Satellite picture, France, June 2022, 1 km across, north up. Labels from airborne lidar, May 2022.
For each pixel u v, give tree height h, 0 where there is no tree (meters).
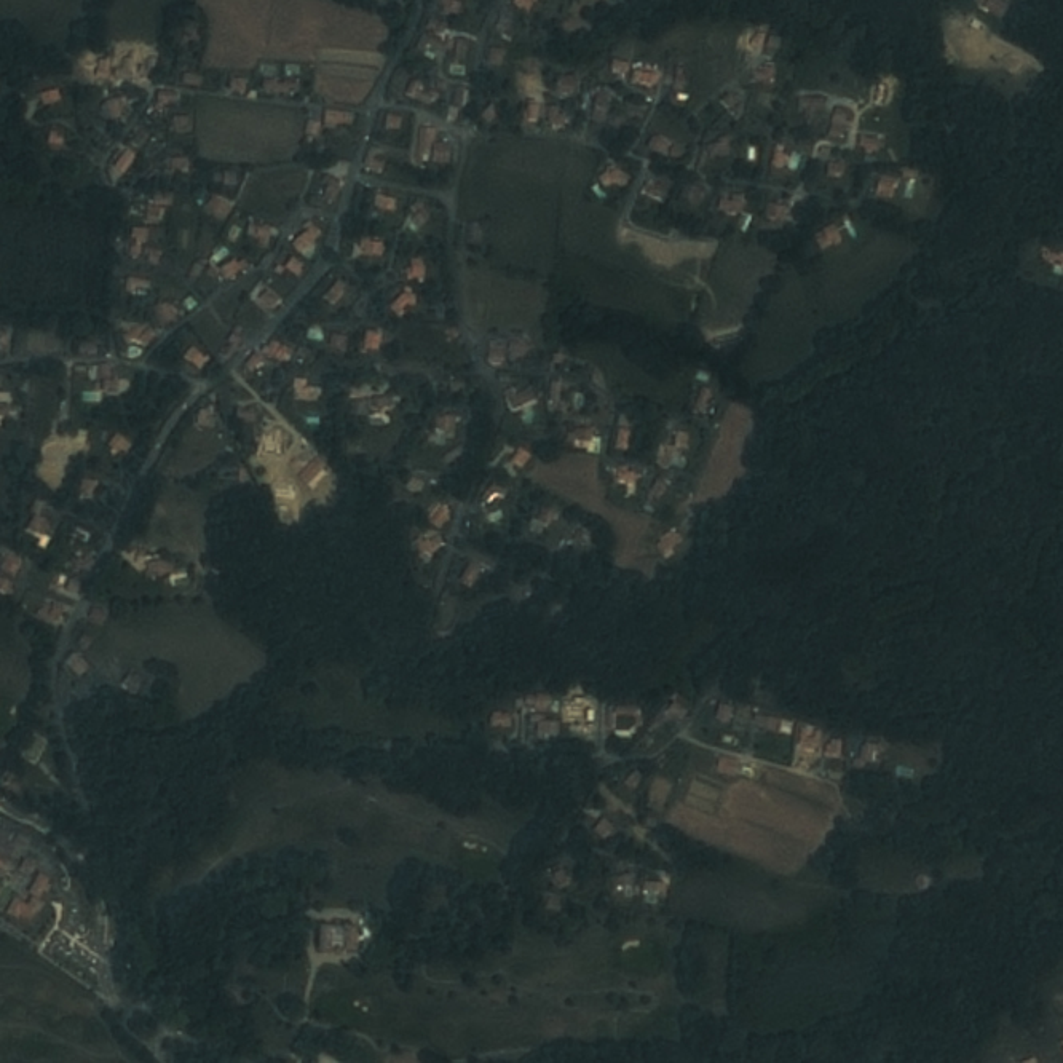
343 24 0
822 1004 0
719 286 0
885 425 29
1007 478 22
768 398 21
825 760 0
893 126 0
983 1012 18
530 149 0
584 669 28
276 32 0
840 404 24
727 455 0
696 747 0
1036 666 20
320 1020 19
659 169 14
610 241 0
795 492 15
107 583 21
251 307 0
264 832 0
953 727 21
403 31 16
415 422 13
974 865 0
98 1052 0
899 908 7
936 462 23
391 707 16
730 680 19
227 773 22
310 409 0
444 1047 0
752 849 0
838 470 26
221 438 0
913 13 27
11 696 0
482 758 22
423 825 0
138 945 31
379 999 0
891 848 6
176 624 0
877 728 23
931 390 21
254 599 25
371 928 20
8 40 23
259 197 0
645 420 12
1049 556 21
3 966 0
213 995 19
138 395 16
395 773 22
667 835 21
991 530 7
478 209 0
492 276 0
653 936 0
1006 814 20
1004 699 12
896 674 7
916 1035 15
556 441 7
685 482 9
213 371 19
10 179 30
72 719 15
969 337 24
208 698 0
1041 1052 0
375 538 25
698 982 24
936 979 24
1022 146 20
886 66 24
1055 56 24
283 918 20
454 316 13
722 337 0
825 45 21
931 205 0
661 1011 0
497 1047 0
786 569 21
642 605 31
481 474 17
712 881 0
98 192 17
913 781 12
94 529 7
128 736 23
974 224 25
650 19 28
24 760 24
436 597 14
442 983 0
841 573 21
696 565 25
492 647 29
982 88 10
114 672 0
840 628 21
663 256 0
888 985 12
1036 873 23
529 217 0
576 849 21
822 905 0
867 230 0
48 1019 0
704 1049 27
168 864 20
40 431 0
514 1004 8
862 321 7
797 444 28
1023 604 18
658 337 8
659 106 7
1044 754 21
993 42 0
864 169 8
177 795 28
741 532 29
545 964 0
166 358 11
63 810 23
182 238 0
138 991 17
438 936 26
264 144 0
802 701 17
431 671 25
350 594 26
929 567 17
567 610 18
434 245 13
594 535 10
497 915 22
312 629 23
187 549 0
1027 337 18
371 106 0
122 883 18
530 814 0
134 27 0
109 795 26
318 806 0
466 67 0
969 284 16
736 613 20
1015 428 7
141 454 13
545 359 8
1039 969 13
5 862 0
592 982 0
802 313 0
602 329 16
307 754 23
